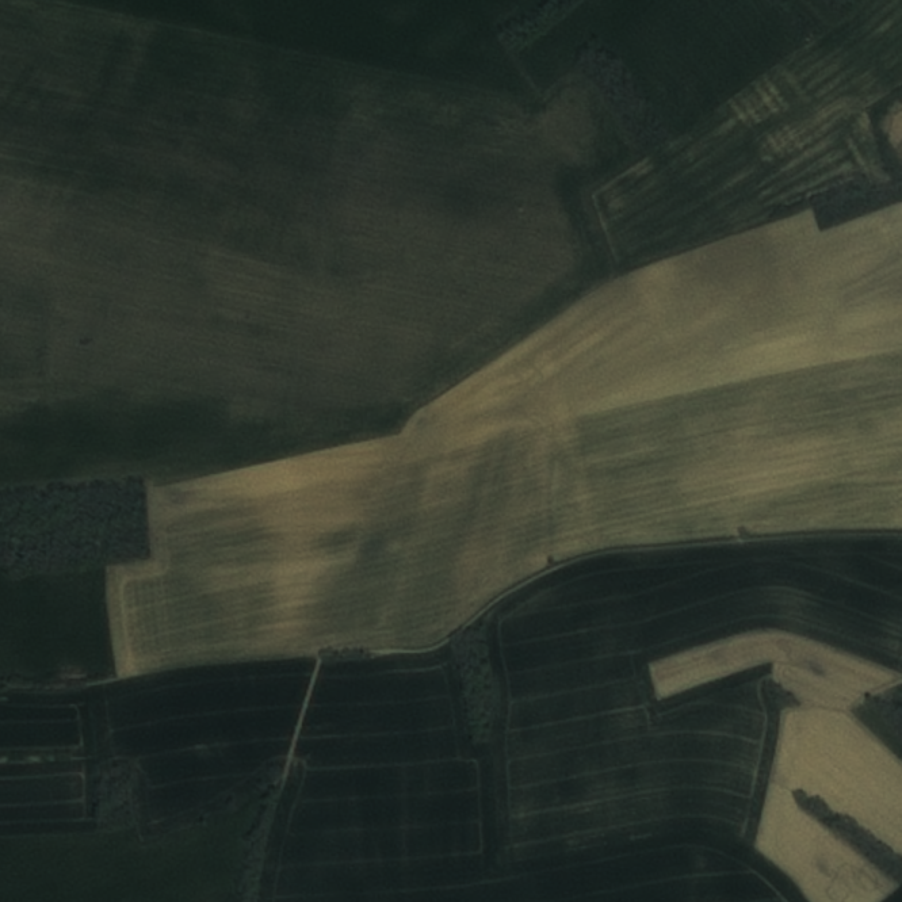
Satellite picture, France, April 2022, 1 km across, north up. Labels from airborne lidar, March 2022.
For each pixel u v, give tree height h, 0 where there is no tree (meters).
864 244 0
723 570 0
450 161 0
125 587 0
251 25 0
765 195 0
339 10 0
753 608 0
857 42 0
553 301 0
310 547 0
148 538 16
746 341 0
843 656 0
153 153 0
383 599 0
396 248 0
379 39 0
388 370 0
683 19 0
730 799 0
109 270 0
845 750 0
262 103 0
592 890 0
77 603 0
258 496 0
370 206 0
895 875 18
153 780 0
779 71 0
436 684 0
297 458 0
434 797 0
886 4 0
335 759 0
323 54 0
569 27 0
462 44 0
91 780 0
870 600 0
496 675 0
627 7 0
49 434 0
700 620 0
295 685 0
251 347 0
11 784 0
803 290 0
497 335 0
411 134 0
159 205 0
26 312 0
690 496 0
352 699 0
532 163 0
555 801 0
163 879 0
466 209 0
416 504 0
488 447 0
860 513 0
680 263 0
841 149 0
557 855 0
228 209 0
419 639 0
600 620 0
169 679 0
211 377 0
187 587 0
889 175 13
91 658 0
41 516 19
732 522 0
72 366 0
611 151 0
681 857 0
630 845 0
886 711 13
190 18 0
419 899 0
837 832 20
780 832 0
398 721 0
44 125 0
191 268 0
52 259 0
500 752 0
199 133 0
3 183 0
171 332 0
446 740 0
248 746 0
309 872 0
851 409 0
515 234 0
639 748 0
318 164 0
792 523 0
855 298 0
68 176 0
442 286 0
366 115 0
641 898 0
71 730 0
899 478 0
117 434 0
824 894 0
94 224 0
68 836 0
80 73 0
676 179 0
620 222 0
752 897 0
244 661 0
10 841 0
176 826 0
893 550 0
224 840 0
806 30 6
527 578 0
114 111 0
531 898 0
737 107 0
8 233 0
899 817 0
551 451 0
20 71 0
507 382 0
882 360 0
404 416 0
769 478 0
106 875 0
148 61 0
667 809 0
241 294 0
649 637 0
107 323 0
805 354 0
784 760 0
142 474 0
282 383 0
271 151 0
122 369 0
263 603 0
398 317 0
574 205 0
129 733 0
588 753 0
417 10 0
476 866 0
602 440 0
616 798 0
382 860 0
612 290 0
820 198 8
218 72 0
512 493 0
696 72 0
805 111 0
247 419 0
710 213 0
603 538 0
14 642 0
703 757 0
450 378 0
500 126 0
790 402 0
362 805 0
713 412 0
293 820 0
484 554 0
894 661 0
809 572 0
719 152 0
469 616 0
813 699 0
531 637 0
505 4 0
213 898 0
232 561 0
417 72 0
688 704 0
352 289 0
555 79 0
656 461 0
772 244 0
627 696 0
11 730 0
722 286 0
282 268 0
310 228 0
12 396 0
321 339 0
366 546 0
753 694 0
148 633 0
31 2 0
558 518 0
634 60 0
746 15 0
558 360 0
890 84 0
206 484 0
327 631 0
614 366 0
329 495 0
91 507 18
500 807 0
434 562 0
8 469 0
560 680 0
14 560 16
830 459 0
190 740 0
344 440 0
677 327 0
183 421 0
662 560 0
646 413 0
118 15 0
